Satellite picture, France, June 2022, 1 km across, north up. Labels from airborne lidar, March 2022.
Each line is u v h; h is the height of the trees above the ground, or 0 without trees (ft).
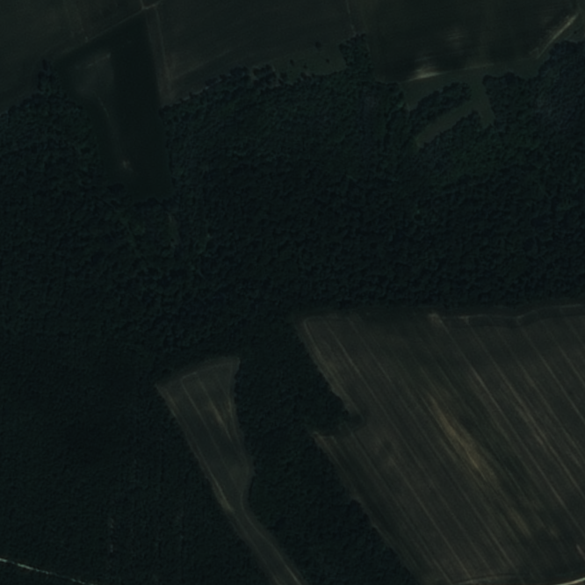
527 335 0
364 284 62
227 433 0
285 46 0
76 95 0
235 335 52
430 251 81
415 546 0
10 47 0
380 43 0
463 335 0
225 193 63
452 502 0
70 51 0
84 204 76
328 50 0
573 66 47
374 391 0
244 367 46
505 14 0
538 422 0
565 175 74
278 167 68
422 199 52
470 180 63
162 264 60
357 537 94
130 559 47
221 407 0
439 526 0
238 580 61
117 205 83
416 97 0
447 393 0
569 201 70
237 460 0
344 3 0
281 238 60
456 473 0
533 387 0
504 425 0
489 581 0
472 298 62
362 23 0
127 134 0
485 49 0
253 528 0
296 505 57
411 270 63
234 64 0
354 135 38
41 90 48
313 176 69
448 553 0
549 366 0
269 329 56
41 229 65
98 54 0
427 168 54
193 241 62
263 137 44
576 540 0
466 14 0
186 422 0
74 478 56
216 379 0
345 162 70
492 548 0
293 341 44
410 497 0
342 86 24
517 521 0
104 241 80
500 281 57
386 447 0
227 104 59
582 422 0
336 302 63
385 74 0
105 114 0
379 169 72
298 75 0
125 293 85
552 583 0
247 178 52
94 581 37
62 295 60
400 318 0
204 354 38
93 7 0
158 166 0
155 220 69
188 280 70
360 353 0
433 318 0
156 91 0
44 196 63
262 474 53
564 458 0
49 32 0
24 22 0
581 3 0
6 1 0
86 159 59
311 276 61
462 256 68
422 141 0
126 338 67
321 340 0
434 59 0
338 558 67
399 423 0
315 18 0
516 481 0
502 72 0
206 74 0
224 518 52
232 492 0
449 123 0
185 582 55
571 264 78
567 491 0
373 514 0
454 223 68
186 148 28
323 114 45
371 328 0
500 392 0
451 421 0
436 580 0
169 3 0
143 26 0
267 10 0
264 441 68
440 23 0
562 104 40
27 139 48
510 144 31
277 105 40
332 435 0
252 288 71
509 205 56
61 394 63
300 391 65
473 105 0
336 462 0
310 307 57
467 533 0
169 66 0
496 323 0
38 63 0
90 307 58
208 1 0
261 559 0
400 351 0
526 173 74
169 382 0
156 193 0
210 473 0
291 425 69
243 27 0
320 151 52
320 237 63
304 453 73
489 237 68
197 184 44
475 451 0
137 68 0
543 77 49
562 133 34
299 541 61
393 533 0
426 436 0
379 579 84
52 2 0
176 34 0
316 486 35
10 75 0
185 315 80
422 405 0
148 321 79
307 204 54
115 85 0
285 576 0
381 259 64
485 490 0
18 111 22
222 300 78
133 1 0
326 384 47
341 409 55
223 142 51
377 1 0
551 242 85
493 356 0
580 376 0
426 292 23
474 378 0
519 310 0
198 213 59
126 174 0
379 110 31
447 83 0
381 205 67
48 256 52
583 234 75
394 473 0
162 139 0
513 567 0
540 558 0
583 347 0
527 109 31
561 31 0
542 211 62
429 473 0
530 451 0
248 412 61
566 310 0
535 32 0
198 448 0
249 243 61
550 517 0
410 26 0
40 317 56
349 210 89
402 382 0
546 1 0
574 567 0
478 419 0
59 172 64
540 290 64
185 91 0
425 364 0
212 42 0
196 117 50
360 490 0
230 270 75
